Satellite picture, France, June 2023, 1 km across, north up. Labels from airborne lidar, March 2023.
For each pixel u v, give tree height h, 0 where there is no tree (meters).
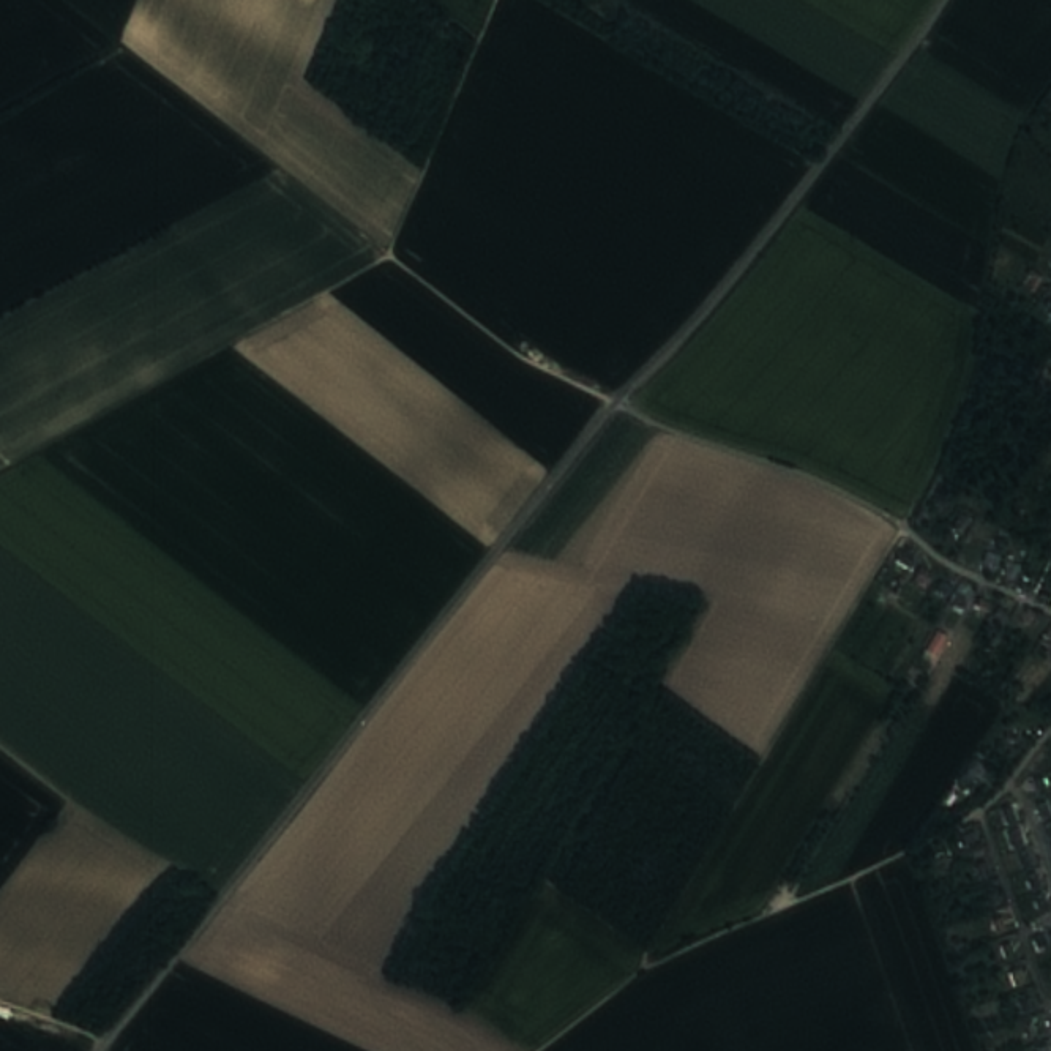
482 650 0
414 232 0
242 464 0
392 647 0
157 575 0
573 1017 0
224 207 0
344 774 0
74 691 0
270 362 0
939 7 0
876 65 0
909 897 0
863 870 0
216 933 0
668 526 0
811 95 0
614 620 9
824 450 0
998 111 0
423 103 17
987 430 15
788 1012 0
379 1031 0
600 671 15
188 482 0
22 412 0
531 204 0
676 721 8
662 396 0
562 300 0
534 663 0
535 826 10
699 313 0
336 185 0
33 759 0
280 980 0
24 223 0
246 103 0
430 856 0
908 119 0
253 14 0
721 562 0
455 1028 0
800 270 0
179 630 0
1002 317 7
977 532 0
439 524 0
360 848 0
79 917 0
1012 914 0
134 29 0
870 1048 0
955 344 0
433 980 16
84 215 0
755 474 0
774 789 0
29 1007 0
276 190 0
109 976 12
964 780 0
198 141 0
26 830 0
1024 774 0
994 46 0
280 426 0
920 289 0
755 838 0
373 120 11
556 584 0
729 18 0
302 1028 0
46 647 0
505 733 0
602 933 0
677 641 13
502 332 0
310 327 0
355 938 0
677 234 0
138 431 0
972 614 0
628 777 15
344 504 0
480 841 12
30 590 0
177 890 7
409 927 15
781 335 0
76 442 0
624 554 0
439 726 0
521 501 0
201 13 0
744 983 0
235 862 0
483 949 17
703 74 10
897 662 0
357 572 0
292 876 0
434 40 10
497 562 0
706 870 0
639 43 12
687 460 0
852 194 0
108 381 0
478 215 0
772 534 0
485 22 0
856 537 0
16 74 0
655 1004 0
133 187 0
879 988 0
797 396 0
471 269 0
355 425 0
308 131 0
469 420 0
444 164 0
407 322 0
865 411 0
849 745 0
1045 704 6
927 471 0
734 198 0
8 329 0
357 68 16
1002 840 0
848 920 0
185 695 0
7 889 0
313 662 0
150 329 0
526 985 0
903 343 0
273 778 0
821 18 0
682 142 0
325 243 0
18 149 0
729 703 0
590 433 0
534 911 0
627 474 0
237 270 0
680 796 14
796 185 0
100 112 0
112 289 0
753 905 0
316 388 0
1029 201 0
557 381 0
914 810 0
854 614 0
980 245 0
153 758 0
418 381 0
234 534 0
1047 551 6
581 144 0
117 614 0
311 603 0
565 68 0
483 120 0
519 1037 0
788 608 0
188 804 0
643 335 0
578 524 0
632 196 0
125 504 0
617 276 0
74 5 0
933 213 0
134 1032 0
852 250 0
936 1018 0
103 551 0
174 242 0
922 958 0
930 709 0
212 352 0
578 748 8
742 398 0
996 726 0
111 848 0
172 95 0
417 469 0
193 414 0
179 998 0
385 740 0
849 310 0
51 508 0
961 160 0
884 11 0
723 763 10
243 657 0
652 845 13
